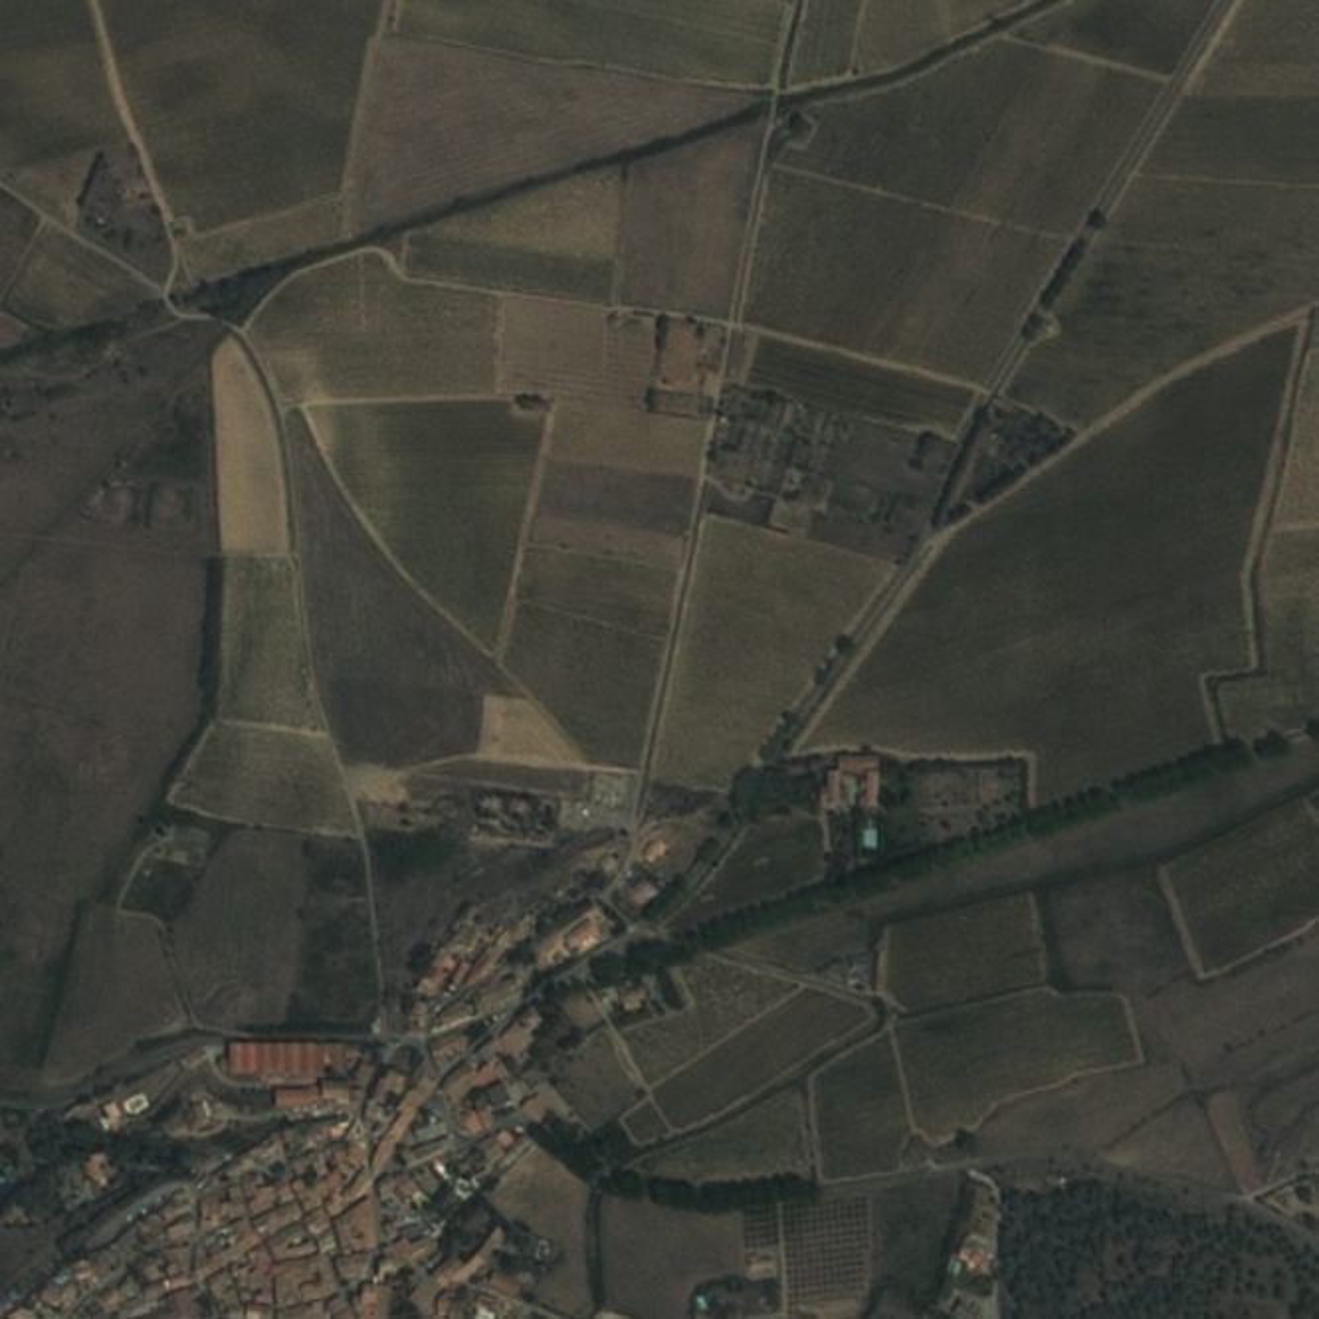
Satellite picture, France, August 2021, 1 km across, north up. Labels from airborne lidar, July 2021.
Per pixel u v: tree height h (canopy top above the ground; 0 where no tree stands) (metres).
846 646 12
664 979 9
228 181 0
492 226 0
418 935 0
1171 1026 0
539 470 0
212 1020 0
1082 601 0
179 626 0
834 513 0
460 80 0
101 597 0
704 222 0
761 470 0
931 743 0
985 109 0
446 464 0
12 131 0
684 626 0
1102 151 0
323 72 0
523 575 0
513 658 0
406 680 0
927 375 0
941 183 0
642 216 0
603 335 0
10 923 0
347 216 0
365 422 0
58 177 0
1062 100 0
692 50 0
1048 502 0
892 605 0
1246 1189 0
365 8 0
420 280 0
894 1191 0
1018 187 0
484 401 0
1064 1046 0
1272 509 0
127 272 0
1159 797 17
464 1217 12
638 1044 0
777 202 0
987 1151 0
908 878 18
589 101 0
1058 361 0
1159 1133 0
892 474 0
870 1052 0
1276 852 0
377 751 0
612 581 0
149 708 0
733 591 0
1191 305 0
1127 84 0
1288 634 0
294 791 0
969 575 0
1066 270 9
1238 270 0
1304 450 0
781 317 0
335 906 0
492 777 0
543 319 0
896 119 0
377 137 0
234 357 0
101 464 0
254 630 0
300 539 0
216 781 0
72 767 0
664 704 0
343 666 0
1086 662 0
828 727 0
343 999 0
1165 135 0
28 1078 0
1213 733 0
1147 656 0
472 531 0
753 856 0
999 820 7
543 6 0
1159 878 0
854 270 0
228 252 0
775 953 0
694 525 0
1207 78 0
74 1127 12
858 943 0
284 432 0
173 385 0
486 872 0
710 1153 0
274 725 0
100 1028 0
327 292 0
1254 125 0
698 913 0
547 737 0
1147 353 0
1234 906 0
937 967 0
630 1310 0
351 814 0
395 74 0
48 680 0
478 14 0
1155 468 0
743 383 0
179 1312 0
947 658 0
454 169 0
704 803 0
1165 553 0
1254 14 0
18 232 0
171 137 0
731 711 0
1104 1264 11
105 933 0
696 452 0
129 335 0
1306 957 0
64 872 0
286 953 0
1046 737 0
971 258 0
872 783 0
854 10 0
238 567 0
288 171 0
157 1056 0
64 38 0
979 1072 0
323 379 0
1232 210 0
